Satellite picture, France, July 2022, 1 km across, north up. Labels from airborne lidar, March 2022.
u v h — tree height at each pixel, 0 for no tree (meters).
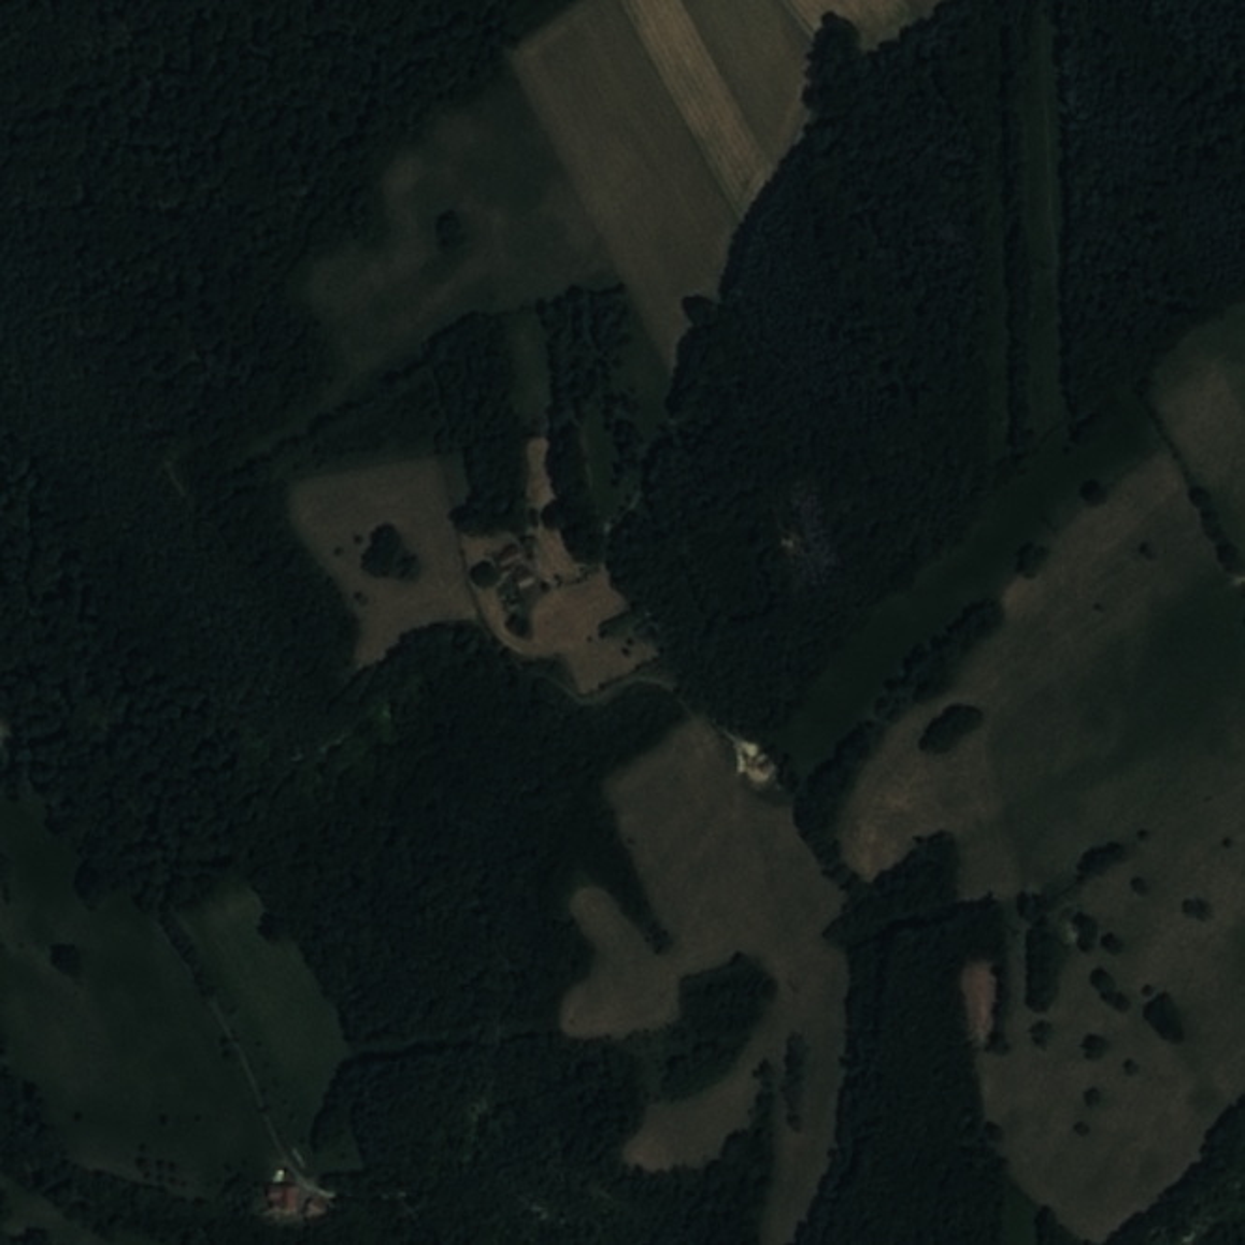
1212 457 0
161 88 25
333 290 0
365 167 13
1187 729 0
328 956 24
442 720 23
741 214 0
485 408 15
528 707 15
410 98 24
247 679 15
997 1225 16
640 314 0
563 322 15
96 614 30
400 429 0
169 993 0
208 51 24
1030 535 0
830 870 20
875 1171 22
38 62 17
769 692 21
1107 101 19
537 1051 12
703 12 0
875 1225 20
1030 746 0
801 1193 0
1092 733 0
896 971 22
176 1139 0
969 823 0
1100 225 22
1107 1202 0
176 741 30
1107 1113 0
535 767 16
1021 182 18
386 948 25
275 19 21
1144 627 0
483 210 0
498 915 17
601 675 0
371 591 0
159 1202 18
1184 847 0
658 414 0
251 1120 0
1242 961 0
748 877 0
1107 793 0
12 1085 20
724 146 0
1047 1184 0
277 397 12
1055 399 0
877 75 29
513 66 0
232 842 28
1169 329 25
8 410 22
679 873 0
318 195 18
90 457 14
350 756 25
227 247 22
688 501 18
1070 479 0
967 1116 18
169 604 6
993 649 0
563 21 0
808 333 21
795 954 0
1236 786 0
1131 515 0
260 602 9
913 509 22
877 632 0
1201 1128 0
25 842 0
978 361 14
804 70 0
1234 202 24
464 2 10
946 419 17
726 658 21
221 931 0
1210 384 0
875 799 0
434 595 0
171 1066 0
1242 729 0
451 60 16
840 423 22
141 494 15
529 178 0
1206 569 0
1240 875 0
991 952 15
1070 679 0
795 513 20
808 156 21
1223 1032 0
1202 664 0
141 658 33
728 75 0
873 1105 22
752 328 24
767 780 0
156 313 24
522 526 16
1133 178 19
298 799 27
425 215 0
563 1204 10
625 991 0
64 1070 0
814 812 20
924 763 0
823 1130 0
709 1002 11
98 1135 0
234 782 29
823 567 15
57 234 17
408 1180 23
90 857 21
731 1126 0
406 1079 18
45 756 27
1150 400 10
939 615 0
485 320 12
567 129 0
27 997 0
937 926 14
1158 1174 0
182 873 27
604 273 0
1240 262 26
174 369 23
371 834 26
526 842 18
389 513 0
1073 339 21
